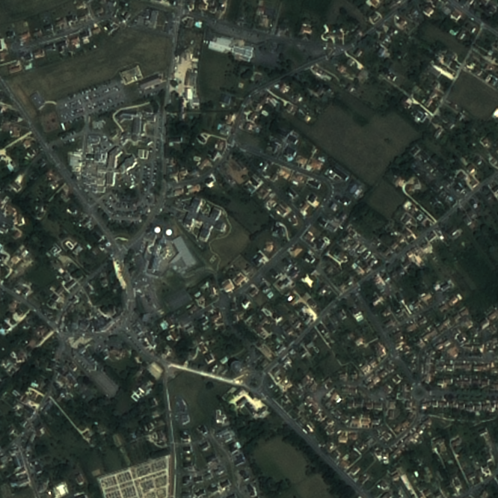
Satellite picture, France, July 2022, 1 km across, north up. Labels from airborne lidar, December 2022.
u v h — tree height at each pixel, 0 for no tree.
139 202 0
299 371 9
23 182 0
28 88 0
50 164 0
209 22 0
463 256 8
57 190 0
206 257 0
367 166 0
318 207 0
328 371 0
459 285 0
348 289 0
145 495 0
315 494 0
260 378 0
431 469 0
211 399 0
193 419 0
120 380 18
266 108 12
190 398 0
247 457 16
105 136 0
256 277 0
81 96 0
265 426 24
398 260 6
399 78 0
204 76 0
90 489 11
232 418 7
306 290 5
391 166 9
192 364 12
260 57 0
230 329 7
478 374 7
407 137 0
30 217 11
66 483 0
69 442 0
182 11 0
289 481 13
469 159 6
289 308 0
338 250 7
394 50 6
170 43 0
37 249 11
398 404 8
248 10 9
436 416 0
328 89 10
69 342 0
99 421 8
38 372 11
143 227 0
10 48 0
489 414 7
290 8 0
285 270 0
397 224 8
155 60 0
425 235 0
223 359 0
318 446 0
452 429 9
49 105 0
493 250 15
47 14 0
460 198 0
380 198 0
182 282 0
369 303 7
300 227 0
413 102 0
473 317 6
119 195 8
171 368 0
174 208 0
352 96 0
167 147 9
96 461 0
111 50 0
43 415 6
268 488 18
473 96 0
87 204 0
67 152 0
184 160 11
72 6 0
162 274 0
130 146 0
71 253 8
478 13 14
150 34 0
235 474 0
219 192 0
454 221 0
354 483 0
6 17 0
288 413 0
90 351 0
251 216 0
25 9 0
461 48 0
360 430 0
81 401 6
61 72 0
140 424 10
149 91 0
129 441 7
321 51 0
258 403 0
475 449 7
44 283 0
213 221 0
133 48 0
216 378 0
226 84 0
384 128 0
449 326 0
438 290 0
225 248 0
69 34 0
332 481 13
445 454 0
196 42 0
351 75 0
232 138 0
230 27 0
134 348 0
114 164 0
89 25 0
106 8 0
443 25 10
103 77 0
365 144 0
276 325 0
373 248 0
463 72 0
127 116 0
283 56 10
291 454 0
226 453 0
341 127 0
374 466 0
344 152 0
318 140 0
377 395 0
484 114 0
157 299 0
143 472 0
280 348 0
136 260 0
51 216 14
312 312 0
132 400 0
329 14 0
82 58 0
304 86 22
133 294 0
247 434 10
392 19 0
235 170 0
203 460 0
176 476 0
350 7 0
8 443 8
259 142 0
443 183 0
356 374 0
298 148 0
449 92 0
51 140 0
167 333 8
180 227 0
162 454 13
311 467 13
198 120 15
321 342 0
